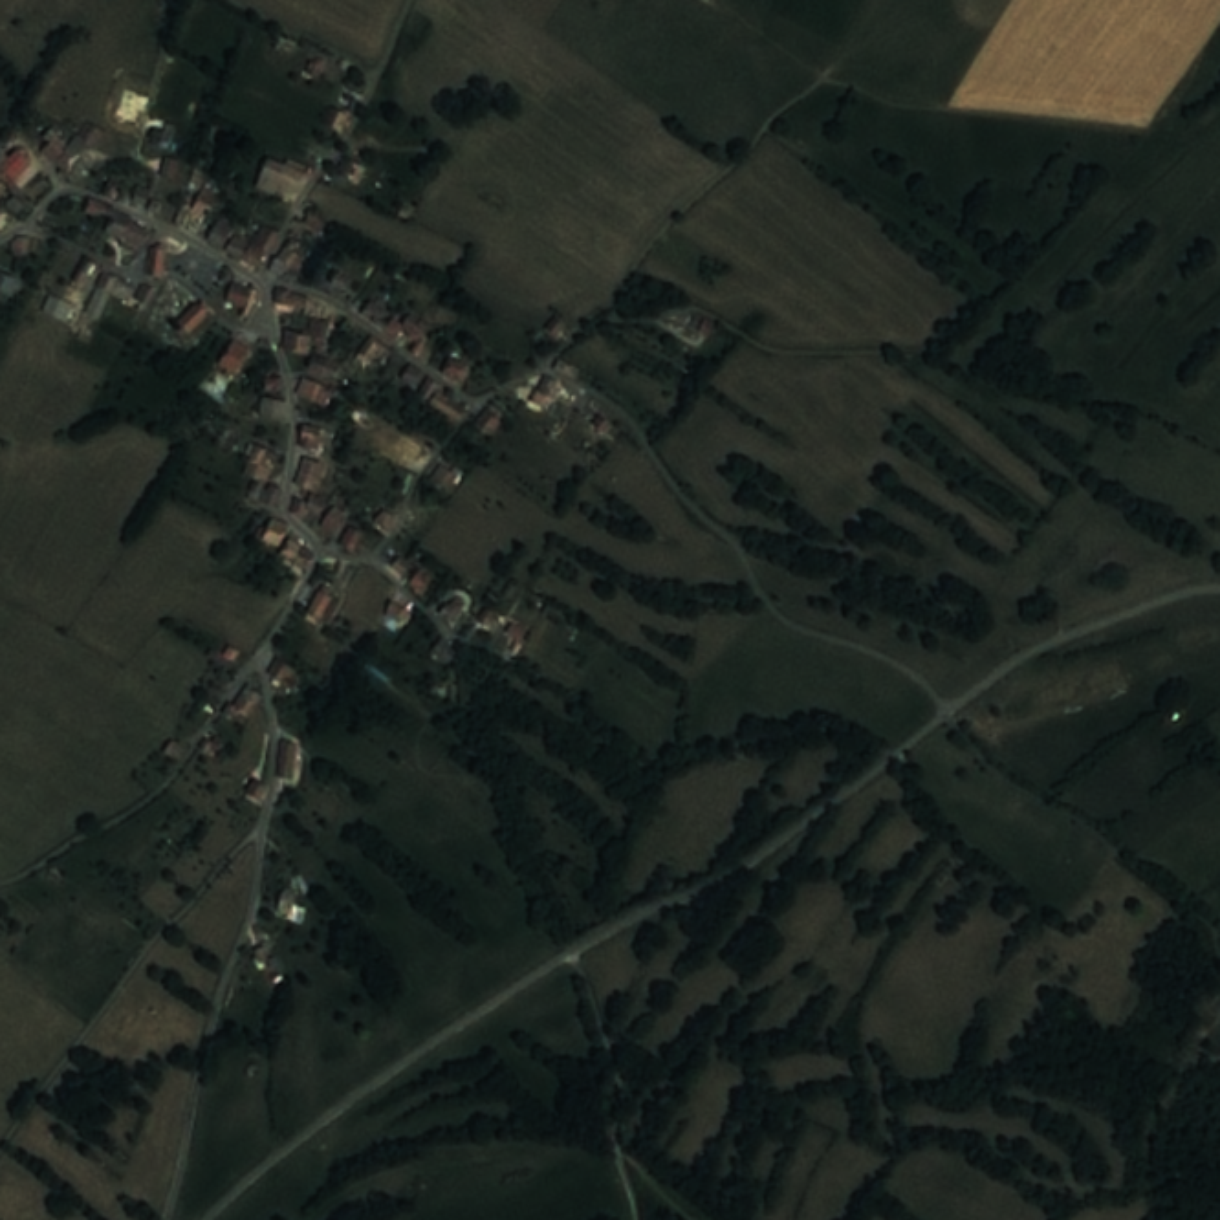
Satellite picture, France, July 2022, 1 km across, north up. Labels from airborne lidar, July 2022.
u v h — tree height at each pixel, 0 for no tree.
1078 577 0
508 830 9
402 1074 0
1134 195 0
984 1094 16
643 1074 15
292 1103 0
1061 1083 10
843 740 16
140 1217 11
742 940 14
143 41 0
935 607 15
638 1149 14
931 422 0
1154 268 0
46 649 0
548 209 0
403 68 0
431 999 0
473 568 0
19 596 0
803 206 0
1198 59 0
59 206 6
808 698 0
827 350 0
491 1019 0
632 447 0
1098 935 0
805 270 0
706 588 9
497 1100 10
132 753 0
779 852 0
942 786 0
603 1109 12
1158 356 0
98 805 0
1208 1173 18
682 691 6
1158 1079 14
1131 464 0
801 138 0
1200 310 0
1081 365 0
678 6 0
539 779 11
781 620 0
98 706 0
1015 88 0
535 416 0
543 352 7
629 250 0
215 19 0
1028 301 0
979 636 14
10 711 0
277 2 0
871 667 0
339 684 16
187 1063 15
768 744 15
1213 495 0
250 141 15
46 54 6
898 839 0
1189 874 0
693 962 15
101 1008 0
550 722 12
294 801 10
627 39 0
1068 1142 16
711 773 0
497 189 0
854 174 0
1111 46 0
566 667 0
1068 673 0
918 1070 0
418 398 14
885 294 0
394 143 0
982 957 0
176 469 8
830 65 0
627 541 9
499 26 0
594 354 0
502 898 0
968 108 0
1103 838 8
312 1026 0
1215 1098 13
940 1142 14
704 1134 0
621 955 0
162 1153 0
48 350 0
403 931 0
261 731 0
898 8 0
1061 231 7
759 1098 16
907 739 0
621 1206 0
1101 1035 19
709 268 6
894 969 0
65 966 0
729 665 0
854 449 0
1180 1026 13
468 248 6
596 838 17
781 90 0
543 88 0
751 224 0
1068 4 0
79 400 0
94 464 0
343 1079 0
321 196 0
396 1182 0
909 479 0
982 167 0
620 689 0
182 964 0
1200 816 0
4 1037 0
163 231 0
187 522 0
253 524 7
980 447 0
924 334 0
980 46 0
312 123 0
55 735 0
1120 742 6
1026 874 0
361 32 0
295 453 0
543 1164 0
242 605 0
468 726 12
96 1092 17
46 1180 14
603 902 14
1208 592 0
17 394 0
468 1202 0
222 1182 0
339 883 14
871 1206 20
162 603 0
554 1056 7
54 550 0
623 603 0
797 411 0
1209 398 0
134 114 0
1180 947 14
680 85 0
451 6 0
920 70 0
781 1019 0
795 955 0
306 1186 0
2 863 0
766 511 13
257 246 0
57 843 0
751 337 0
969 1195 0
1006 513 16
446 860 0
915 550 15
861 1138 12
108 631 0
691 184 0
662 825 0
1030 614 15
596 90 0
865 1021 0
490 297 0
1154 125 0
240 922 0
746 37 0
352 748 0
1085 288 13
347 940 19
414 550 7
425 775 0
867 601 19
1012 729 0
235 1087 0
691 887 11
